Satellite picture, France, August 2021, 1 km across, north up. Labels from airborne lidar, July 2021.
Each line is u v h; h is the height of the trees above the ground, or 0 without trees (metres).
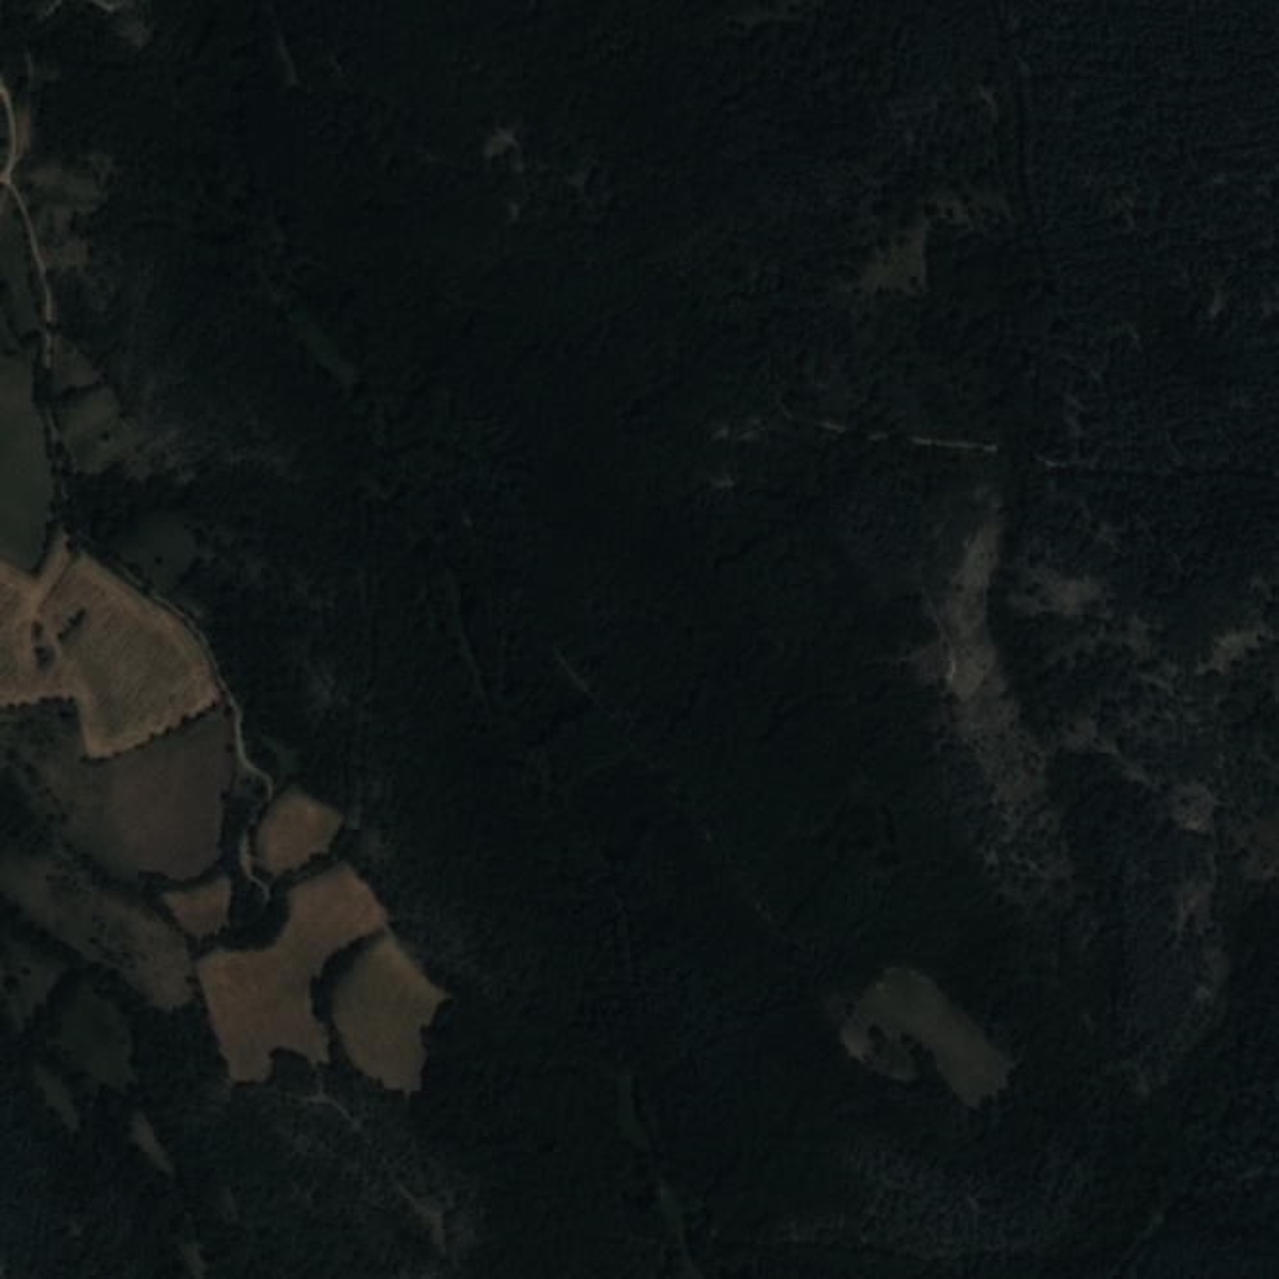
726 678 21
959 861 18
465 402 15
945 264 14
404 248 22
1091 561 15
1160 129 21
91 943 6
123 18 8
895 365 6
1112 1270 12
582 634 16
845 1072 19
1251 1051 17
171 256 12
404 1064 0
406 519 20
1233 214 20
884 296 10
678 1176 11
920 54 16
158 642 0
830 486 14
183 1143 11
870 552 14
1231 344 19
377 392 12
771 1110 17
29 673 0
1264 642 14
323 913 0
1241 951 14
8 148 7
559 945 20
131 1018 17
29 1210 20
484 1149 17
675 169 14
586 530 17
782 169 15
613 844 6
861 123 14
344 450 19
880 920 21
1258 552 18
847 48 14
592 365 22
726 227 12
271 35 19
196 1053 9
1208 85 20
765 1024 14
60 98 17
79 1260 14
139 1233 20
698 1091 9
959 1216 17
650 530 14
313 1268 11
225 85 24
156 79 18
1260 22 23
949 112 11
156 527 0
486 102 13
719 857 10
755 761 21
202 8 11
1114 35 23
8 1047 16
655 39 14
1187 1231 9
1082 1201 9
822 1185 17
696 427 12
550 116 16
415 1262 7
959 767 11
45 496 0
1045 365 18
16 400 0
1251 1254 10
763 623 15
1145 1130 17
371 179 24
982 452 8
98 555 9
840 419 8
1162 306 15
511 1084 12
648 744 18
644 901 18
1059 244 22
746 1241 12
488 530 13
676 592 19
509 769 23
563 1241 13
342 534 13
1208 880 14
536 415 18
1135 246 17
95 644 0
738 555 12
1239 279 24
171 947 0
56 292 10
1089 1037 11
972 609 0
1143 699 15
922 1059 13
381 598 12
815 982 16
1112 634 17
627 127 19
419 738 17
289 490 13
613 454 12
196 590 6
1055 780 15
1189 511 21
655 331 19
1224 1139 10
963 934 16
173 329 9
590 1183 18
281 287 18
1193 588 19
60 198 0
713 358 15
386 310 23
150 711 0
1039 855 11
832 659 10
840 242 14
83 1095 9
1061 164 21
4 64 7
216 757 0
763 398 13
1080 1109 19
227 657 9
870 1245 6
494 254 11
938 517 10
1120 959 13
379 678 10
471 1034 16
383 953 0
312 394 19
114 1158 18
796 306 6
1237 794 12
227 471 9
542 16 15
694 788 18
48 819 8
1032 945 10
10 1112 19
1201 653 13
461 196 12
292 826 0
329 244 23
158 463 6
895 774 18
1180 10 25
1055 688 19
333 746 11
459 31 15
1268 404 21
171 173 12
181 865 0
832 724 12
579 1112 16
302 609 12
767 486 7
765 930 14
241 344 16
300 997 0
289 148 25
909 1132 24
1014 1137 23
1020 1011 14
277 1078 6
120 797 0
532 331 17
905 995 0
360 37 18
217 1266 15
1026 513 15
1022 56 18
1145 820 17
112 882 9
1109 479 21
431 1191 6
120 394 7
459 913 9
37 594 0
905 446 12
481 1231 11
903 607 10
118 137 14
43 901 0
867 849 19
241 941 16
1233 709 11
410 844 6
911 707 11
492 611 8
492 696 19
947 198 0
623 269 18
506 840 23
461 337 13
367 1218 6
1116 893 8
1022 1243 17
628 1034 25
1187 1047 14
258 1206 8
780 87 9
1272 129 22
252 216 26
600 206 7
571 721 21
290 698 11
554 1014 21
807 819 18
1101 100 20
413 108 16
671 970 14
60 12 10
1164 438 21
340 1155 6
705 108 14
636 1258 17
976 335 16
